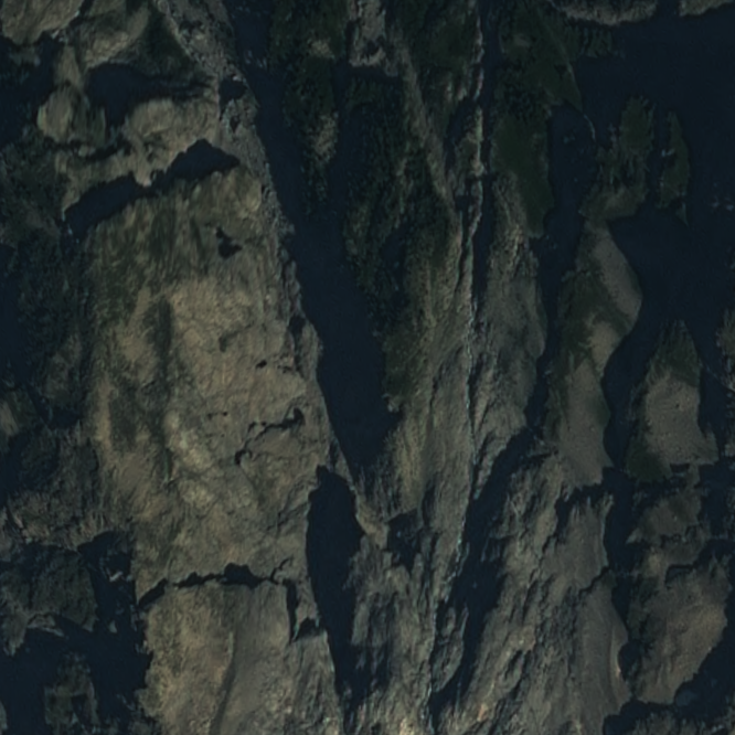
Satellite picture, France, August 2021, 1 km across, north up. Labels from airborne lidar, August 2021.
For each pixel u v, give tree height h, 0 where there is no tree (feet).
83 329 0
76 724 0
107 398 0
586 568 0
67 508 0
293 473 0
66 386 0
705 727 0
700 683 0
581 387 0
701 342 0
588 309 0
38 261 0
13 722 0
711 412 0
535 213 0
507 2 61
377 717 0
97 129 40
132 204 0
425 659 0
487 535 0
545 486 0
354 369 0
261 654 0
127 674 0
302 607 0
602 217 0
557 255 0
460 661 0
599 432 0
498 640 0
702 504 0
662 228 0
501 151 0
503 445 0
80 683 0
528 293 0
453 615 0
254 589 0
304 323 0
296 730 0
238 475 0
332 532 0
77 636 0
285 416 0
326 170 0
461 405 0
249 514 0
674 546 0
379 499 0
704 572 0
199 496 0
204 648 0
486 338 0
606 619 0
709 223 0
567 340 0
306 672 0
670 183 0
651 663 0
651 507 0
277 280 0
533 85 0
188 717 0
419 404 0
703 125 0
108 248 0
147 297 0
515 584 0
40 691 0
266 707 0
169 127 0
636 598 0
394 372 0
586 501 0
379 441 0
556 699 0
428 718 0
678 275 0
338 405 0
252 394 0
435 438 0
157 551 0
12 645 0
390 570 0
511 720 0
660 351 0
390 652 0
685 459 0
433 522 0
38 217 0
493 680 0
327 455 0
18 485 0
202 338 0
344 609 0
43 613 0
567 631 0
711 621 0
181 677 0
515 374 0
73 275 0
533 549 0
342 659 0
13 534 0
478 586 0
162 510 0
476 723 0
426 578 0
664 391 0
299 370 0
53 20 0
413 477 0
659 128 0
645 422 0
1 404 0
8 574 0
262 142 0
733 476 0
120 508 0
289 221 0
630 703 0
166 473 0
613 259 0
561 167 0
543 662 0
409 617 0
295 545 0
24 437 0
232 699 0
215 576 0
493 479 0
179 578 0
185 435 0
